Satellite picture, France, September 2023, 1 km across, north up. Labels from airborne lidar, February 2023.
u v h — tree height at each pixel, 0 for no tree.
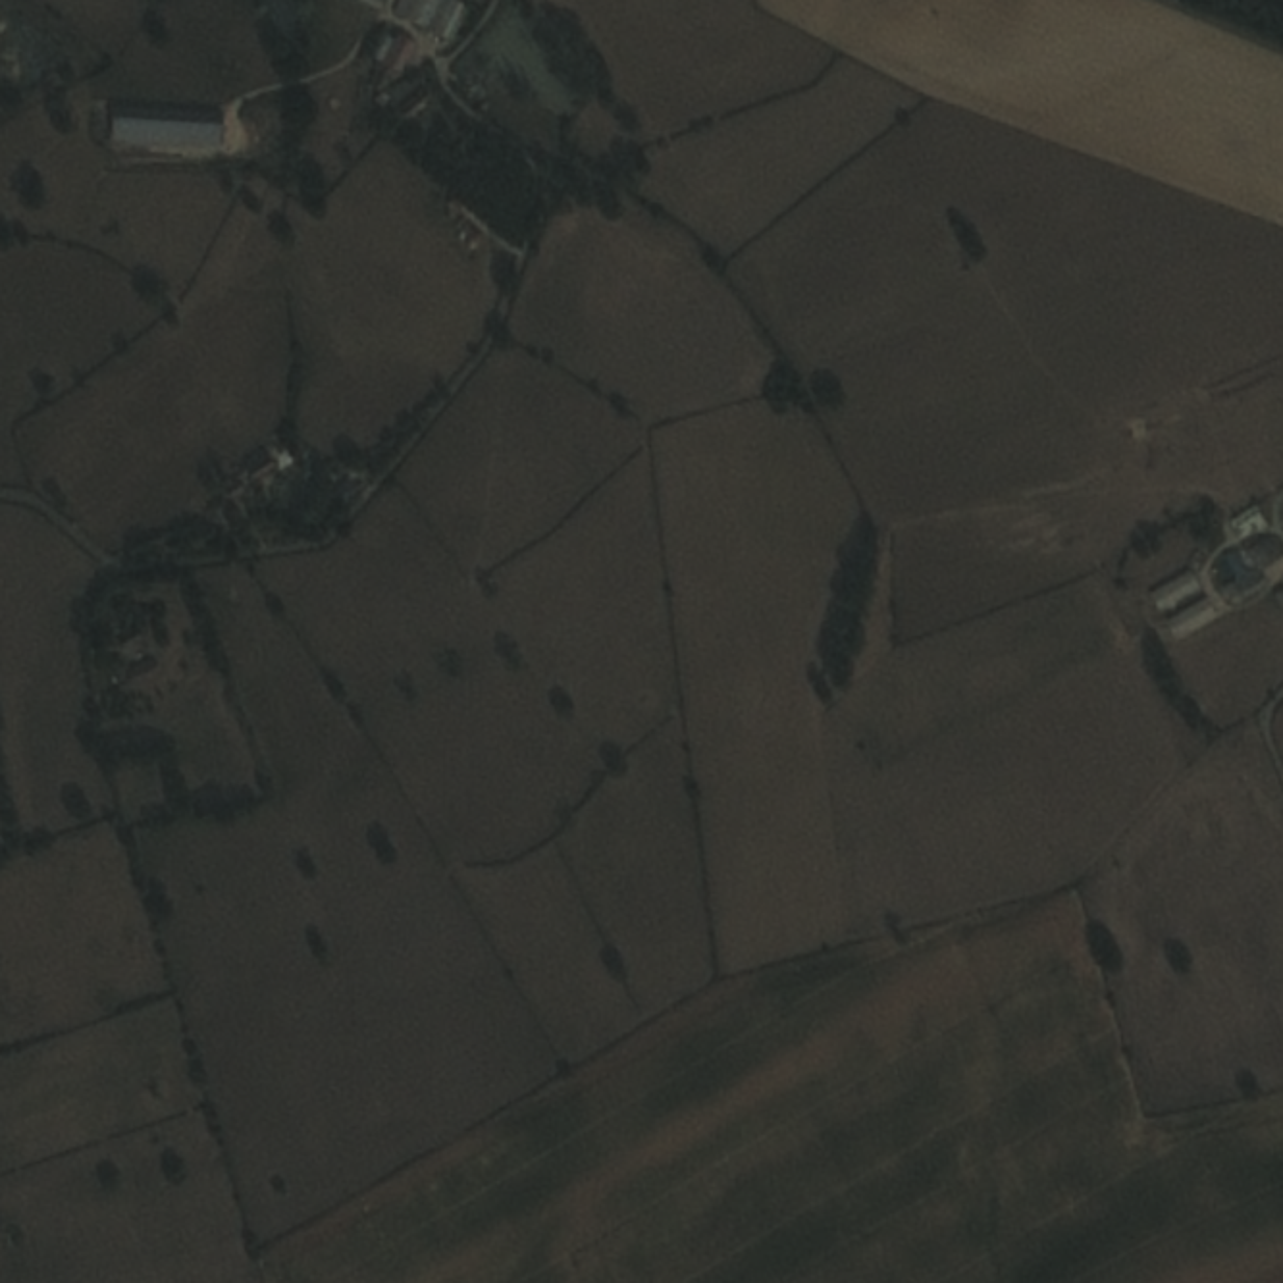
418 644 0
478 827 0
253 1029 0
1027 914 0
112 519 0
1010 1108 0
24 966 0
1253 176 0
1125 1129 0
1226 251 0
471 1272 0
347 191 0
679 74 0
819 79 0
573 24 16
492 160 12
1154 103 0
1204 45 0
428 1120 0
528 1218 0
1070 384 0
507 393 0
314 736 0
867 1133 0
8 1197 0
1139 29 0
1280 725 0
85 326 0
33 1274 0
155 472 0
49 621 0
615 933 0
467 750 0
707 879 0
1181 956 17
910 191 0
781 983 0
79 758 0
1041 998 0
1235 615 0
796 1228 0
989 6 0
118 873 0
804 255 0
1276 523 0
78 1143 0
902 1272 0
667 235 0
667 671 0
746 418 0
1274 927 0
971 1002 0
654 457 0
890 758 0
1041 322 0
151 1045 0
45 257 0
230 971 0
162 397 0
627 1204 0
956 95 0
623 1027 0
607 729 0
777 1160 0
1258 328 0
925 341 0
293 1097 0
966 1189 0
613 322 0
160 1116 0
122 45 0
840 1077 0
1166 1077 0
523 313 0
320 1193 0
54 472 0
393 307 0
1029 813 0
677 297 0
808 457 0
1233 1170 0
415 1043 0
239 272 0
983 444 0
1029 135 0
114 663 6
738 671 0
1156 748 0
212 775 0
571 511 0
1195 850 0
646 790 0
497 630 0
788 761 0
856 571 20
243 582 0
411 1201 0
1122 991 0
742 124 0
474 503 0
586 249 0
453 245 0
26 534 0
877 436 0
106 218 0
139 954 0
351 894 0
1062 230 0
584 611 0
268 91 0
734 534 0
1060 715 0
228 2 0
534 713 0
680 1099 0
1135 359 0
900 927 15
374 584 0
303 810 0
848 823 0
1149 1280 0
